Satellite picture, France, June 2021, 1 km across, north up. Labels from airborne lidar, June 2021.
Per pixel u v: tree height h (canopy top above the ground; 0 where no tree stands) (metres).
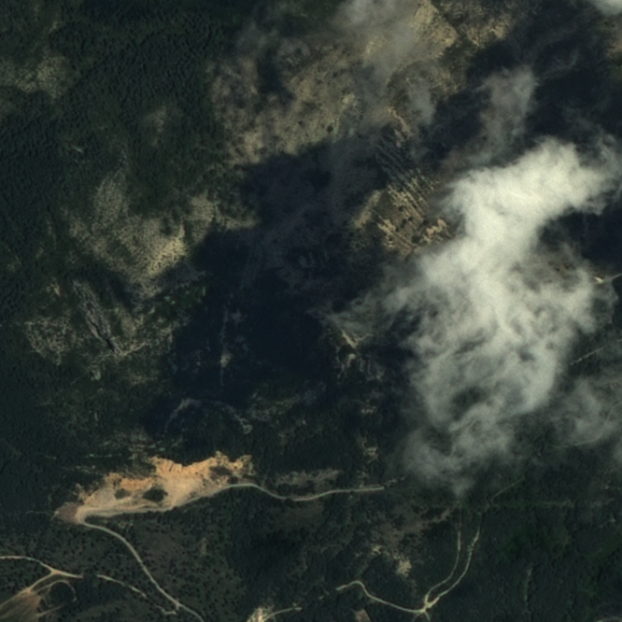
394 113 0
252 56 0
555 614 15
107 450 7
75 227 0
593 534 12
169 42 12
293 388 7
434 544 6
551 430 10
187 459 8
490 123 0
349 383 6
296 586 6
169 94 8
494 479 12
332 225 0
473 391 9
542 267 0
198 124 7
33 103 11
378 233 0
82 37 9
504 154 7
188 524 11
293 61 0
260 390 7
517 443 10
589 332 11
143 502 0
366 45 0
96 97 7
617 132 0
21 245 9
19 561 13
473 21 0
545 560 13
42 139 8
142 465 0
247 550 14
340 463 12
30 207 9
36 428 11
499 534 12
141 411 7
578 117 0
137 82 10
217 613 13
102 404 7
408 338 9
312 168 0
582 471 12
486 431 9
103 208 0
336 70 0
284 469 6
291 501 10
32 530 9
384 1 7
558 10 0
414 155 0
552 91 0
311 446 7
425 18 0
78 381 8
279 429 5
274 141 0
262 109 0
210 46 11
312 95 0
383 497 11
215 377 8
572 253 0
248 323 7
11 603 0
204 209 0
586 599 14
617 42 0
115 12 11
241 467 0
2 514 9
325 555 8
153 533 10
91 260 6
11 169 12
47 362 6
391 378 9
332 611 13
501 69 0
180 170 0
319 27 0
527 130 0
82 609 15
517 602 9
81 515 0
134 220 0
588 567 14
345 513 7
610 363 11
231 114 0
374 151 0
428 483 13
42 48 0
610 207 0
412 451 8
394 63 0
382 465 8
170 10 11
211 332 7
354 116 0
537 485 9
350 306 7
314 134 0
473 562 7
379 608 7
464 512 8
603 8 0
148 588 10
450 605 8
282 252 0
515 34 0
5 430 12
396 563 7
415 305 8
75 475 5
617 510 11
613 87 0
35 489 9
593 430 7
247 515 8
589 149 0
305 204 0
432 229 0
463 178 0
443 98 0
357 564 8
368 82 0
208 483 0
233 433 10
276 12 0
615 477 8
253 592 11
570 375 12
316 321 7
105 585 12
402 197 0
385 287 0
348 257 0
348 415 7
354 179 0
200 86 6
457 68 0
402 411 6
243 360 7
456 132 0
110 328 0
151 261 0
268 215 0
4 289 12
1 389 13
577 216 6
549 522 13
